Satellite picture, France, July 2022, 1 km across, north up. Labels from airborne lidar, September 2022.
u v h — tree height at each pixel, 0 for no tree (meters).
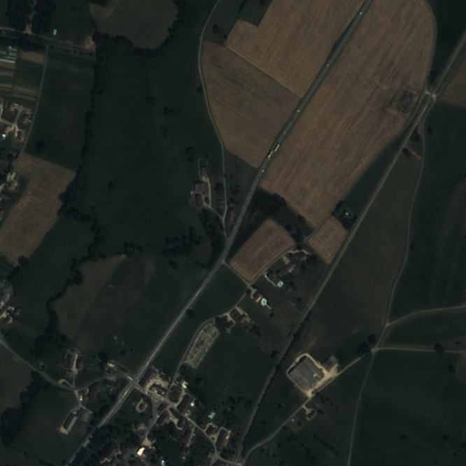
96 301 0
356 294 0
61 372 0
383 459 0
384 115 0
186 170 0
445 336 0
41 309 0
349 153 0
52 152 0
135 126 0
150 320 0
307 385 0
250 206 0
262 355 0
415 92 0
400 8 0
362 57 0
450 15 0
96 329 0
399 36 0
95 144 0
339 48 0
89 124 15
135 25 0
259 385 0
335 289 0
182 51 0
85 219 16
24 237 0
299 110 0
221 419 0
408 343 0
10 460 0
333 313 0
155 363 0
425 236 0
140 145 0
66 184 0
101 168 0
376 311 0
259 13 0
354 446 0
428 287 0
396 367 0
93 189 0
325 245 0
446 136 0
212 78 0
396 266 0
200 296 0
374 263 0
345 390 0
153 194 0
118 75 0
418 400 0
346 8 0
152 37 0
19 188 0
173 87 0
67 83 0
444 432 0
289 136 0
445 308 0
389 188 0
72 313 0
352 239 0
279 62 0
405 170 0
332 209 0
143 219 0
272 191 0
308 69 0
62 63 0
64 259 0
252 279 0
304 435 0
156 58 13
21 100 0
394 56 0
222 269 0
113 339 0
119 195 0
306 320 7
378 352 0
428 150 0
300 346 0
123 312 0
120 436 20
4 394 0
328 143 0
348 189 0
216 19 0
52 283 0
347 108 0
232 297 0
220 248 11
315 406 0
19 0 12
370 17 0
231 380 0
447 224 0
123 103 0
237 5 0
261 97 0
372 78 0
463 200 0
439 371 0
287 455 0
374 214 0
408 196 0
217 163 0
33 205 0
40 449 0
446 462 0
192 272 0
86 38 0
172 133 0
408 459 0
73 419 0
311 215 0
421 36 0
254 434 6
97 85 13
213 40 0
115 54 0
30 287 0
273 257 0
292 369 0
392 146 0
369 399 0
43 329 0
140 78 0
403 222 0
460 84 0
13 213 0
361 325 0
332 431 0
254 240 0
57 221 0
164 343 0
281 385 0
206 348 0
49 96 0
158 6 0
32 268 0
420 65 0
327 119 0
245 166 0
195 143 0
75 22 0
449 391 0
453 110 0
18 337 0
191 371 0
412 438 0
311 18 0
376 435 0
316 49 0
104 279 0
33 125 0
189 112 0
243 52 0
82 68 0
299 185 0
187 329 0
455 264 0
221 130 0
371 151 0
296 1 0
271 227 0
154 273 0
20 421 22
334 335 0
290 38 0
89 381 0
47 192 0
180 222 0
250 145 0
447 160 0
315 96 0
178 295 0
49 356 0
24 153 0
